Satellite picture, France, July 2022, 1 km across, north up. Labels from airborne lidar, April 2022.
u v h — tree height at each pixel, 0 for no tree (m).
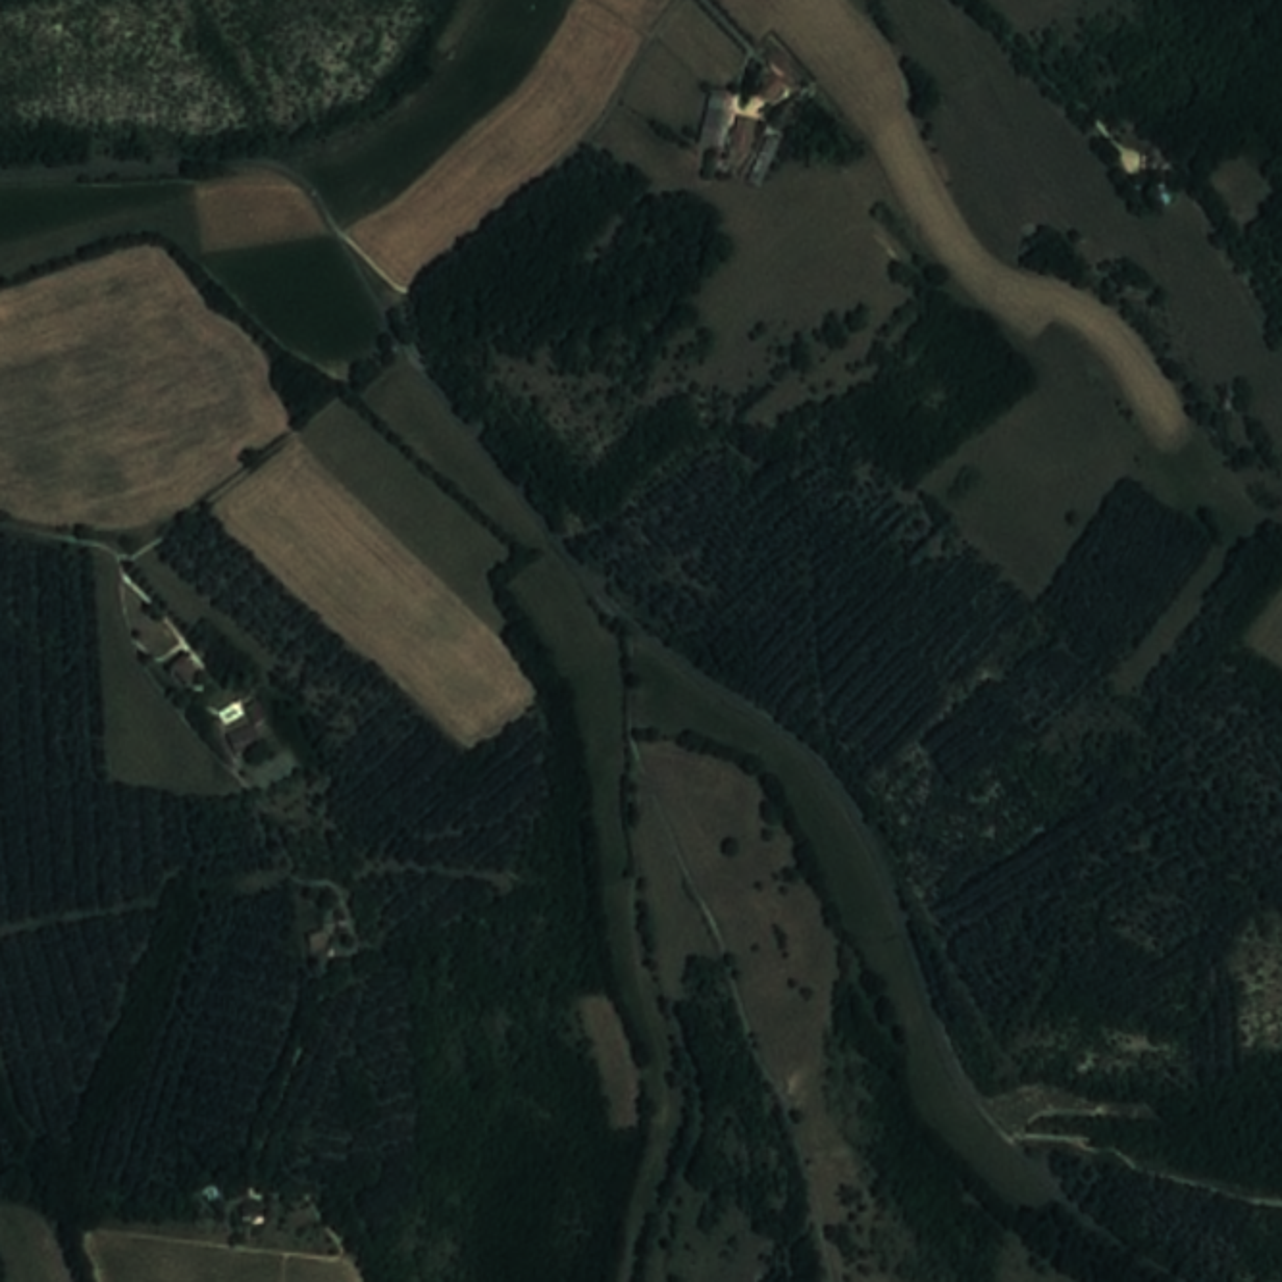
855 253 0
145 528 0
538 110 0
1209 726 9
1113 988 13
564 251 13
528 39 0
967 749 14
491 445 12
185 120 0
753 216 0
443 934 10
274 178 0
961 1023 18
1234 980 10
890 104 0
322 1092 11
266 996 11
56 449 0
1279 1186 10
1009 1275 0
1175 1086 10
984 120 0
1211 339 0
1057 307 0
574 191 14
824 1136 0
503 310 13
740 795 0
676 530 14
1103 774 12
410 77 14
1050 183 0
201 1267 0
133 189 0
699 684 0
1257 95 11
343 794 13
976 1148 0
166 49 0
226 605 12
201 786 0
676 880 0
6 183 0
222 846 14
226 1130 11
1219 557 0
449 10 7
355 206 0
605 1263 15
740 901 0
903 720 13
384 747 13
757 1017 0
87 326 0
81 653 14
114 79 0
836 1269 0
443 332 11
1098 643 11
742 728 0
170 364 0
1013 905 15
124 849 11
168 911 11
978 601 8
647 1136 10
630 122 0
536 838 9
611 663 0
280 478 0
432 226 0
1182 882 14
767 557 10
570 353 10
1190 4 11
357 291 0
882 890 0
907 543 6
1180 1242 12
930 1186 11
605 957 11
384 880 9
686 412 11
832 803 0
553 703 7
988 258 0
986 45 0
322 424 0
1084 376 0
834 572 16
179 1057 15
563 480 9
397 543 0
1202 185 14
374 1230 9
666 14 0
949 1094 0
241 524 0
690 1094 11
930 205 0
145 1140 12
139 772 0
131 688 0
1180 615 0
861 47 0
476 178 0
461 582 0
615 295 14
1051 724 9
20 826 12
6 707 11
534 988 11
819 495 11
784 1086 0
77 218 0
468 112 0
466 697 0
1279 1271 9
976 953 19
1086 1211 10
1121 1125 13
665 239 10
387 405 0
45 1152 16
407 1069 10
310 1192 8
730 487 13
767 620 17
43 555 9
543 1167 9
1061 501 0
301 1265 0
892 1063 13
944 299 12
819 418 6
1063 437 0
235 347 0
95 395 0
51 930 11
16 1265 0
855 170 0
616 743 0
